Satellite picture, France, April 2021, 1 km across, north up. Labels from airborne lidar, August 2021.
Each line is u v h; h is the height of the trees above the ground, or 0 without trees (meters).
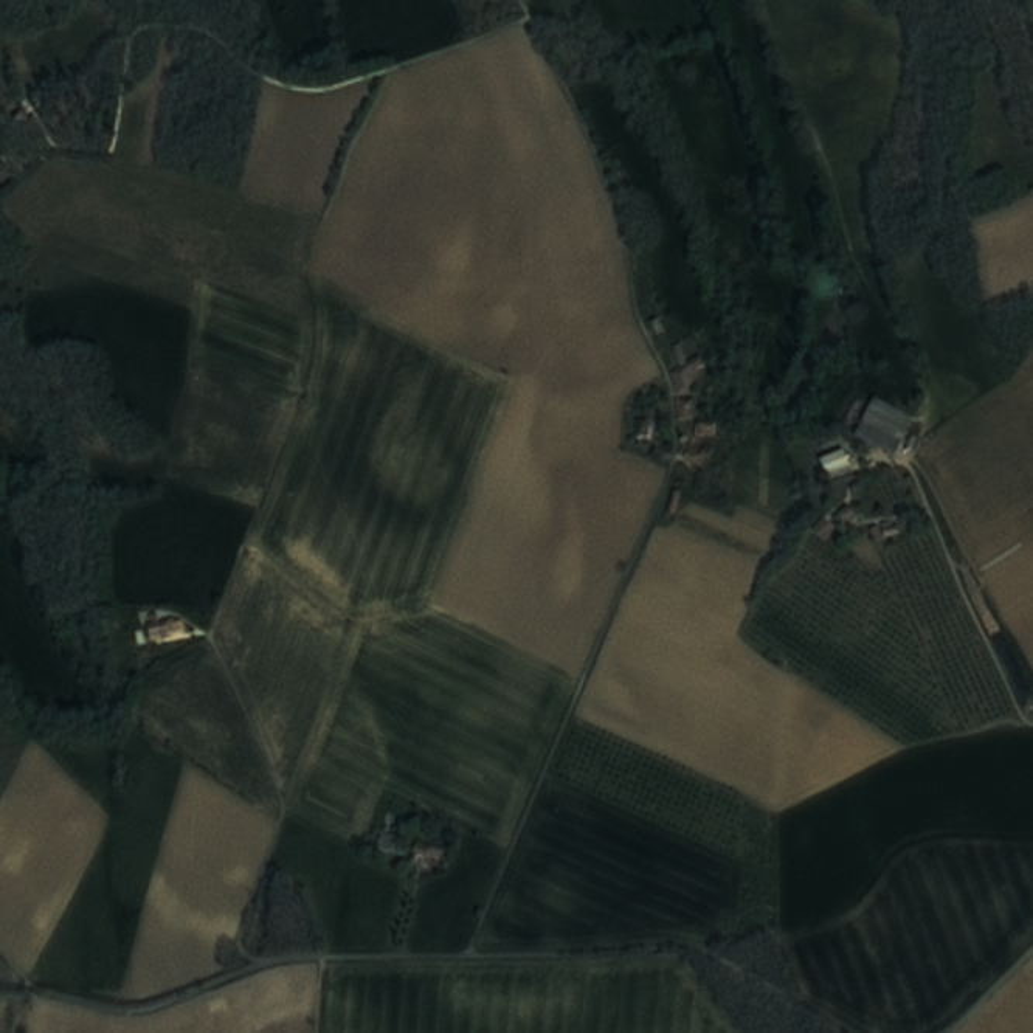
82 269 0
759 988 20
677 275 0
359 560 0
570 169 0
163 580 0
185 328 0
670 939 0
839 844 0
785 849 0
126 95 10
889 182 16
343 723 0
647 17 0
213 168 16
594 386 0
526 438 0
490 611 0
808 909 0
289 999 0
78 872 0
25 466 11
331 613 0
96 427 21
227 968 15
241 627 0
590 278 0
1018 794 0
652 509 0
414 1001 0
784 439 18
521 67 0
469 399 0
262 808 0
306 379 0
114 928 0
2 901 0
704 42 16
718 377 16
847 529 9
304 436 0
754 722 0
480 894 0
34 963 0
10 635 0
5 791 0
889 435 0
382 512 0
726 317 15
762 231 6
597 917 0
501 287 0
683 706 0
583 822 0
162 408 0
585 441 0
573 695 0
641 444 11
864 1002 0
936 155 14
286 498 0
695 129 0
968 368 0
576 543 0
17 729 10
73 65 0
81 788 0
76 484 19
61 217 0
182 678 0
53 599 20
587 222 0
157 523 0
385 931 0
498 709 0
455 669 0
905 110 12
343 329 0
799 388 0
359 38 0
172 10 22
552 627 0
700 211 26
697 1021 0
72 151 11
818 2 0
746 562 0
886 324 0
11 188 10
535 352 0
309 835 0
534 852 0
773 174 27
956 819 0
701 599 0
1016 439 0
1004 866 0
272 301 0
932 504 0
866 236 0
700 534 0
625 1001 0
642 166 0
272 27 14
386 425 0
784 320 0
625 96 15
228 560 0
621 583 0
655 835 0
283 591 0
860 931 0
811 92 0
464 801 0
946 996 0
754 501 0
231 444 0
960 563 0
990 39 20
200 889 0
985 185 17
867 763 0
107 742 17
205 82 17
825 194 0
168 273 0
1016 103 16
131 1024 0
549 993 0
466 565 0
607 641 0
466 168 0
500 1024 0
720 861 0
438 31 0
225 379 0
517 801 0
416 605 0
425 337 0
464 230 0
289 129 0
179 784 0
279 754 0
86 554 13
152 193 0
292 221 0
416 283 0
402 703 0
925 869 0
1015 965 0
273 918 19
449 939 0
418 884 8
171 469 0
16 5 18
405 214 0
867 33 0
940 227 21
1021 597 0
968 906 0
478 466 0
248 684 0
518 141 0
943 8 14
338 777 0
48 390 15
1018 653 0
